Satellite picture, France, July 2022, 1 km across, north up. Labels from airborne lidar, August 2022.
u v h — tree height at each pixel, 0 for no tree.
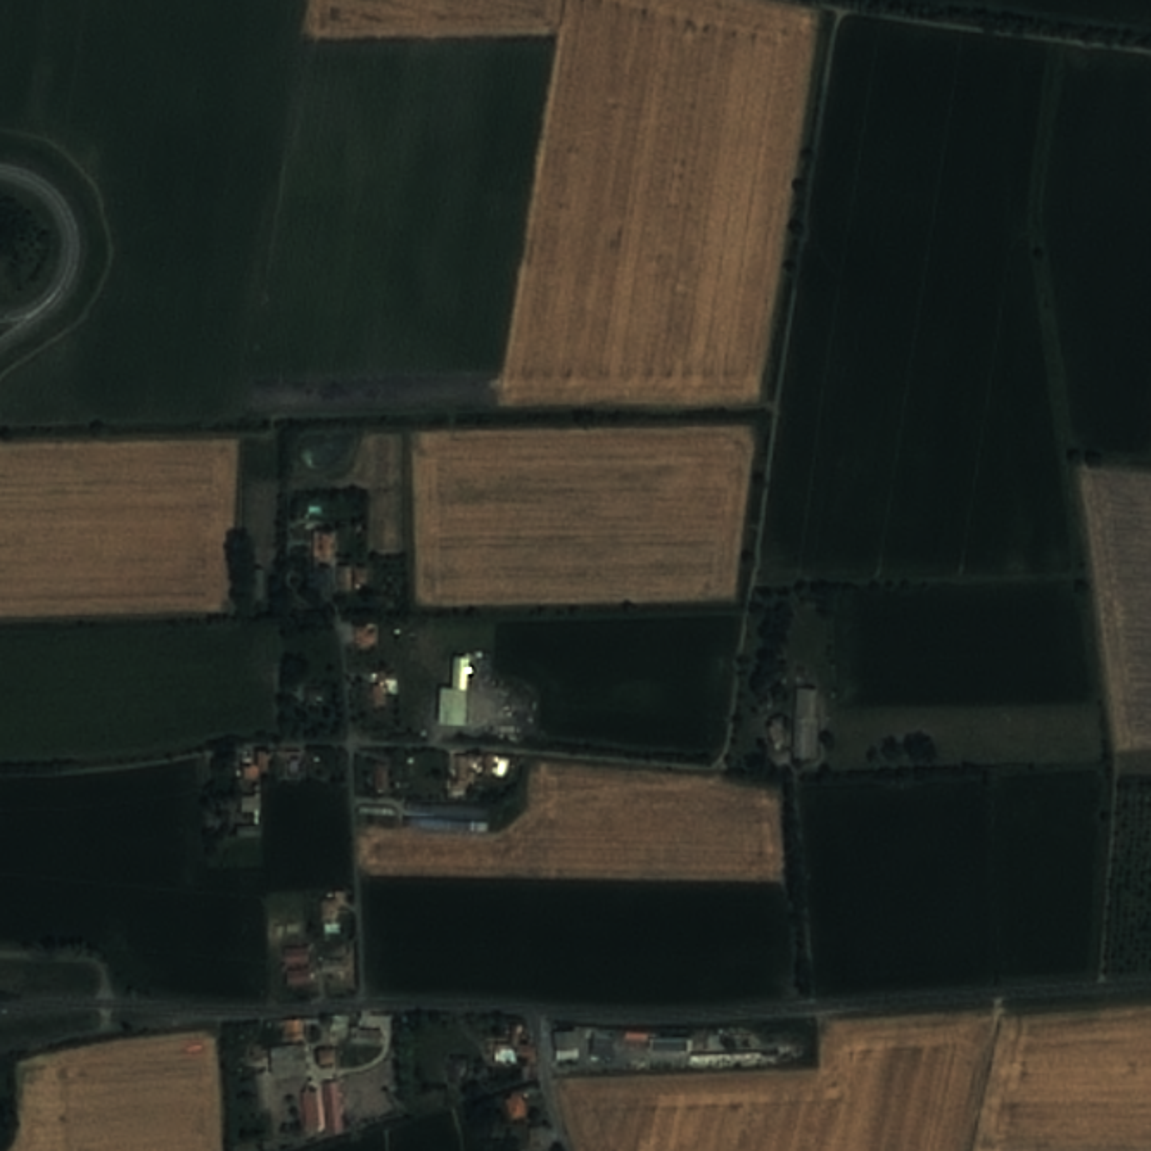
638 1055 0
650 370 0
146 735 0
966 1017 0
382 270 0
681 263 0
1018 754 0
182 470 0
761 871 0
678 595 0
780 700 12
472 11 0
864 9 11
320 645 0
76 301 0
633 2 0
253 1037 0
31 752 0
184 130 0
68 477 0
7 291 0
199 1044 0
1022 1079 0
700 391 0
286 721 12
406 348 0
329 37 0
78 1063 0
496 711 0
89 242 0
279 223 0
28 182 0
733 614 0
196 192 0
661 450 0
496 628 0
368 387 0
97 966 0
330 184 0
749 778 12
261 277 0
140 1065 0
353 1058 0
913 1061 0
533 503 0
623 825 0
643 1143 0
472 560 0
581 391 0
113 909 0
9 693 0
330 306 0
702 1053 0
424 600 0
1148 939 6
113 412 0
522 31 0
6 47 0
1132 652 0
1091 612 0
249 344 0
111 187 0
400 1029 19
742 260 0
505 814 0
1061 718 0
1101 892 0
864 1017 0
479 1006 0
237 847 0
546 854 0
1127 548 0
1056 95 0
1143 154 0
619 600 0
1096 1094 0
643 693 0
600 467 0
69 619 0
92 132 0
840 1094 0
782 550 0
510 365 0
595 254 0
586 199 0
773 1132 0
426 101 0
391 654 0
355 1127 21
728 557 0
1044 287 0
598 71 0
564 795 0
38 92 0
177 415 0
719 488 0
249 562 15
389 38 0
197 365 0
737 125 0
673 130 0
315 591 14
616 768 0
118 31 0
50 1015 0
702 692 0
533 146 0
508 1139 6
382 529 0
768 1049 0
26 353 0
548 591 0
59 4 0
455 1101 0
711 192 0
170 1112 0
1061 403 0
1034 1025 0
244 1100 6
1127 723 0
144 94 0
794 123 0
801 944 9
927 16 7
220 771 7
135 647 0
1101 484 0
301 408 0
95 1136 0
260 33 0
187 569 0
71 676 0
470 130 0
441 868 0
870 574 0
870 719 0
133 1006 0
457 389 0
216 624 9
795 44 0
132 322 0
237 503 0
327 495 7
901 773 12
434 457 0
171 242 0
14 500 0
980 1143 0
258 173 0
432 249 0
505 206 0
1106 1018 0
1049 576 0
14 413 0
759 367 0
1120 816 6
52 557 0
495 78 0
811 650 0
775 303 0
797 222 12
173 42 0
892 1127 0
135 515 0
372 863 0
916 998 0
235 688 0
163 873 0
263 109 0
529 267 0
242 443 0
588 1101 0
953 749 0
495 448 0
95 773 0
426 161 0
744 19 0
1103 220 0
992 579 0
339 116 0
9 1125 17
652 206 0
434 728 0
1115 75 0
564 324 0
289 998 0
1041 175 0
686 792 0
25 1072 0
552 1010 0
